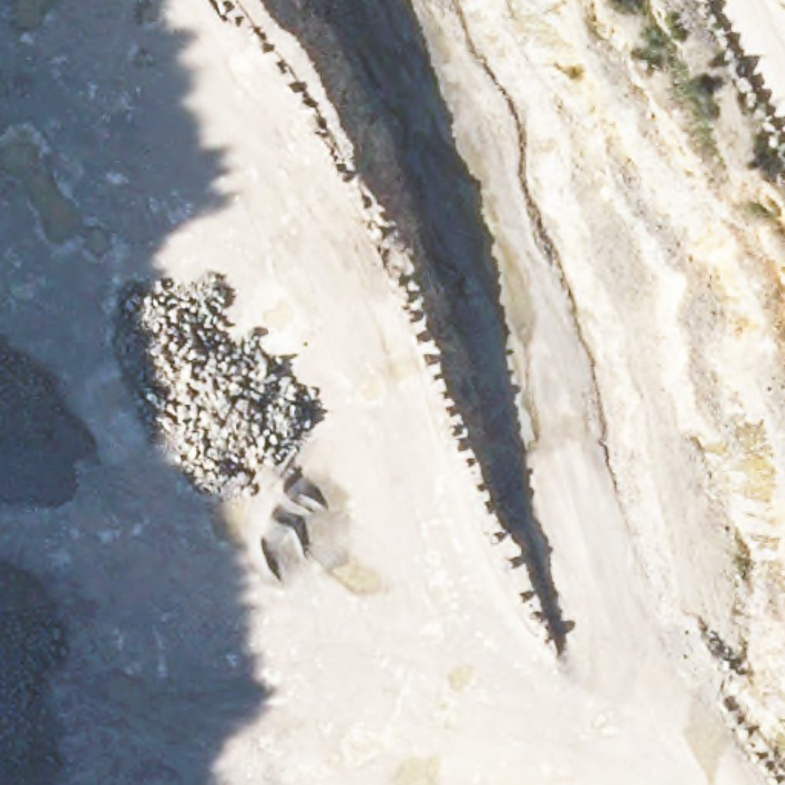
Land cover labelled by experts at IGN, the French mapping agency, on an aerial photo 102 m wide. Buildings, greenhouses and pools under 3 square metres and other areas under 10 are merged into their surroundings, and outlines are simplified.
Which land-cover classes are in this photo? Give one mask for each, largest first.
<instances>
[{"label":"pervious surface","instance_id":"1","mask_svg":"<svg viewBox=\"0 0 785 785\"><path fill-rule=\"evenodd\" d=\"M647 3L662 34L672 31L668 12L681 15L687 40L678 43V58L687 64L693 77L702 80L705 92L718 95V120H699L693 113L678 110L672 104L668 74H647V64L632 58V49L644 43L641 18L635 12ZM0 785H785V0H0Z\"/></svg>","mask_w":785,"mask_h":785},{"label":"herbaceous vegetation","instance_id":"2","mask_svg":"<svg viewBox=\"0 0 785 785\"><path fill-rule=\"evenodd\" d=\"M641 18L644 43L632 49V58L647 64V74H668L672 104L678 110L693 113L699 120H718V95L705 92L702 80L693 77L687 64L678 58V43L687 40L681 15L668 12L672 31L662 34L647 3L635 12Z\"/></svg>","mask_w":785,"mask_h":785}]
</instances>
